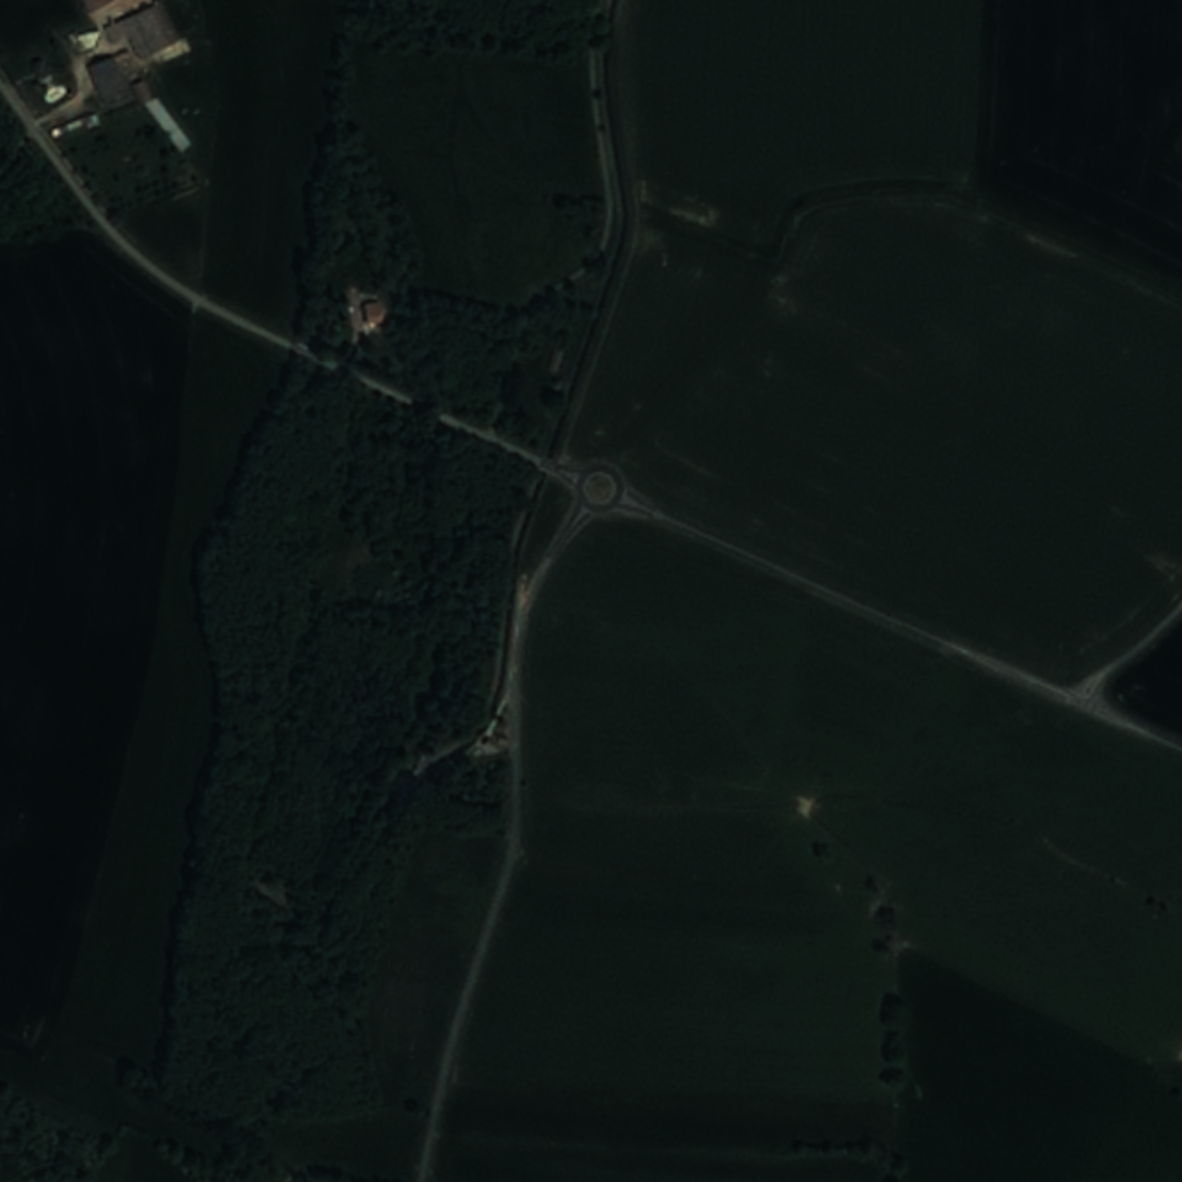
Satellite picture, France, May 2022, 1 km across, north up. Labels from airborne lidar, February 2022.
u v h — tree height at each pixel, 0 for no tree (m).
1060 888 0
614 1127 0
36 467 0
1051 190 0
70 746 0
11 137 18
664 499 0
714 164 0
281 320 0
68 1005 0
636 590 0
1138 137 0
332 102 20
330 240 24
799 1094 0
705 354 0
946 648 0
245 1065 27
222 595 23
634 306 0
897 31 0
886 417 0
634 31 0
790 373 0
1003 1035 0
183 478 0
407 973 0
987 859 0
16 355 0
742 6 0
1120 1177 0
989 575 0
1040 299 0
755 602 0
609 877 0
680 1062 0
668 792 0
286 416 20
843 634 0
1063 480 0
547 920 0
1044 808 0
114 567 0
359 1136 0
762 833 0
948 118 0
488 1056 0
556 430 0
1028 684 0
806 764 0
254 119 0
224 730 16
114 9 0
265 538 23
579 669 0
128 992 0
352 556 0
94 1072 0
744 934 0
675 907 0
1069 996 0
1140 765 0
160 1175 0
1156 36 0
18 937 0
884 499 0
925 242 0
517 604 0
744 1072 0
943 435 0
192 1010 24
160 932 0
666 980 0
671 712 0
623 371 0
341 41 15
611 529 0
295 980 20
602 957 0
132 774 0
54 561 0
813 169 0
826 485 0
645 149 0
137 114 0
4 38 0
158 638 0
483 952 0
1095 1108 0
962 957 0
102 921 0
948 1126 0
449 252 0
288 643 21
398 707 19
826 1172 0
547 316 20
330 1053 23
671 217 0
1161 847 0
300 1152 0
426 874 0
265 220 0
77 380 0
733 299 0
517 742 0
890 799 0
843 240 0
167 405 0
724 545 0
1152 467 0
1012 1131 0
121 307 0
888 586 0
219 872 24
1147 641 0
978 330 0
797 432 0
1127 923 0
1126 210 0
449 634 21
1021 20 0
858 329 0
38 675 0
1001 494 0
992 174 0
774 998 0
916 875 0
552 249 0
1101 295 0
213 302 0
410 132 0
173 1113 18
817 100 0
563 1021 0
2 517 0
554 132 0
